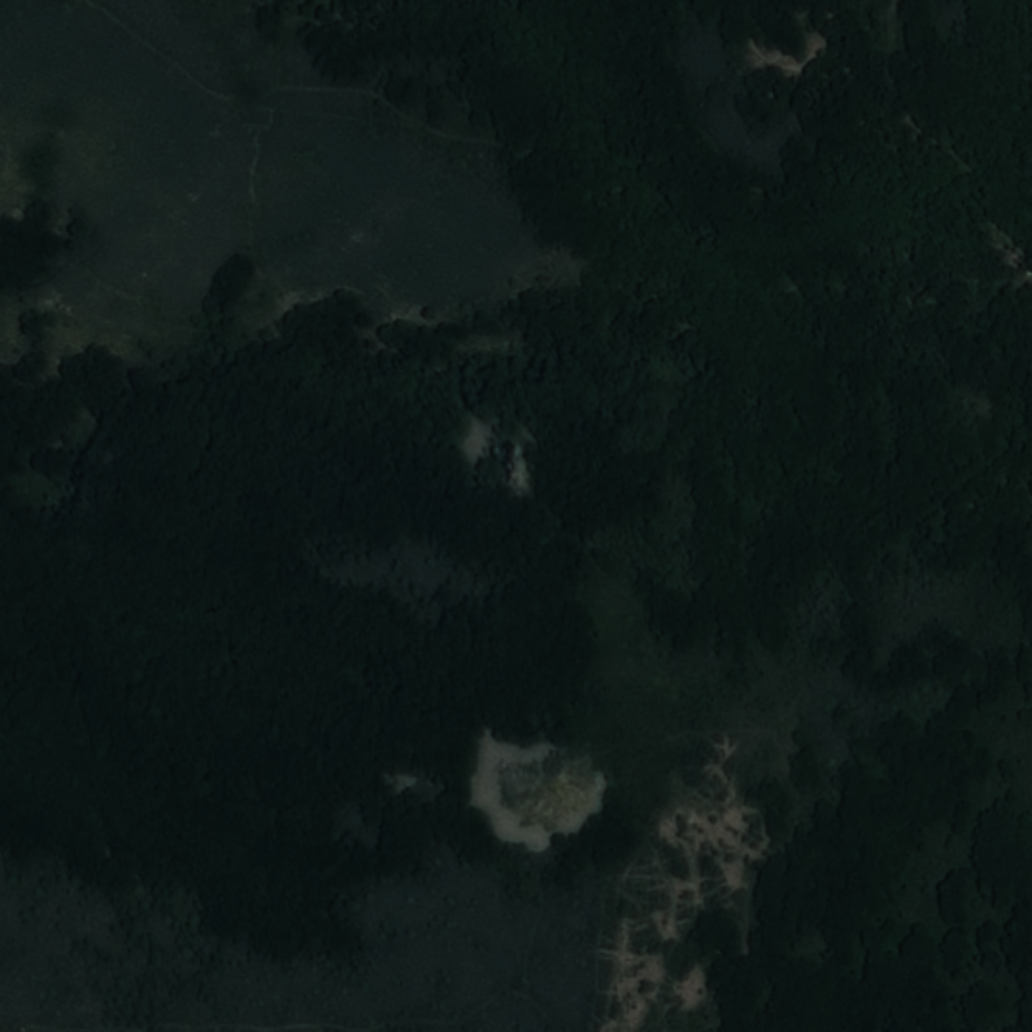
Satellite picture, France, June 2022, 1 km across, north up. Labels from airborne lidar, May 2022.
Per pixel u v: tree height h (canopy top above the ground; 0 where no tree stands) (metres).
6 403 25
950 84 14
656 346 17
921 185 14
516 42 17
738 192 16
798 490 13
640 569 8
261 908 16
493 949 0
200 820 21
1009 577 12
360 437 17
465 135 0
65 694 22
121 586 25
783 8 14
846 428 9
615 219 14
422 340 21
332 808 14
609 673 0
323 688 23
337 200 0
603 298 20
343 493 16
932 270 14
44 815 19
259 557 22
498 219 0
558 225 11
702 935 12
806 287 11
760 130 8
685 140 14
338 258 0
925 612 0
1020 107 13
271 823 20
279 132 0
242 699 22
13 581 22
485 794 0
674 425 11
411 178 0
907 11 14
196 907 6
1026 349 14
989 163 12
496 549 14
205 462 22
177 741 21
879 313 16
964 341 12
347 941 14
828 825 14
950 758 13
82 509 23
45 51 0
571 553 12
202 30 0
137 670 23
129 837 20
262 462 26
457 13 15
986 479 14
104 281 0
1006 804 11
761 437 13
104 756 17
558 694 9
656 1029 0
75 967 0
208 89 0
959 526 14
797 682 0
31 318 8
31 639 21
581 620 11
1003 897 12
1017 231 14
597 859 11
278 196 0
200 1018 0
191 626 25
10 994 0
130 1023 6
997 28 10
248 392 25
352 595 17
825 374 16
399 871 13
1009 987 7
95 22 0
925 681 13
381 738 15
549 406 15
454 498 15
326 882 15
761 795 8
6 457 21
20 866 9
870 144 15
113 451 21
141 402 22
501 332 10
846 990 16
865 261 13
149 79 0
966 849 0
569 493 10
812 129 14
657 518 7
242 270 19
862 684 8
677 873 8
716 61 0
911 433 14
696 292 12
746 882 0
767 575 11
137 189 0
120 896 8
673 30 14
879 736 7
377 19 13
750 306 14
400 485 18
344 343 22
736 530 13
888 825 18
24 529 21
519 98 17
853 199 17
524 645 12
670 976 0
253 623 19
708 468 16
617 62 16
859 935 7
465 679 17
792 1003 15
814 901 14
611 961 0
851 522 11
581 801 0
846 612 8
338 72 12
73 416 11
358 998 0
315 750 14
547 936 0
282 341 10
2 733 17
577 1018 0
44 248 18
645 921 0
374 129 0
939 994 12
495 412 12
